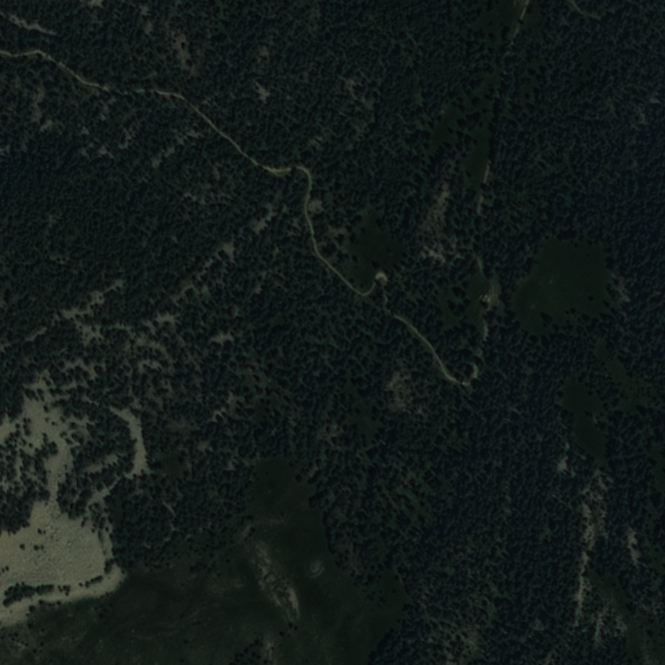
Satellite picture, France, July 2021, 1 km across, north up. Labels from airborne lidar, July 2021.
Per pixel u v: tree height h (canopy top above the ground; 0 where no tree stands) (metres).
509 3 0
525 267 16
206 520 14
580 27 19
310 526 0
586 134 19
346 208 7
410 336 26
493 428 23
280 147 19
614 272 25
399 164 25
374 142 23
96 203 14
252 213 10
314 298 6
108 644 0
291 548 0
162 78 12
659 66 23
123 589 0
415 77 28
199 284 12
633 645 0
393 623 0
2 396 20
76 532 0
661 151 25
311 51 17
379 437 18
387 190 21
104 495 0
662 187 30
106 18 20
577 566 8
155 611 0
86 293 11
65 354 6
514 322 17
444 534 24
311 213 9
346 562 10
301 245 25
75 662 0
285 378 8
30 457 12
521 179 28
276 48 18
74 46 25
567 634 16
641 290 19
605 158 25
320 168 12
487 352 23
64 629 0
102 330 9
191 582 0
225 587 0
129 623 0
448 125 0
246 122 14
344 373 28
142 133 12
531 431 25
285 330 17
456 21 20
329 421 12
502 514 15
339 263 9
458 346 24
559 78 19
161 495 22
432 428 16
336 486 11
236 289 6
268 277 6
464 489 24
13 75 24
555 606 20
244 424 19
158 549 12
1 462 8
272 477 0
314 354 19
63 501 13
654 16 19
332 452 16
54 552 0
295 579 0
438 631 13
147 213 11
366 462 0
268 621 0
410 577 18
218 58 19
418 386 11
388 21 20
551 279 0
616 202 26
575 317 7
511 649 18
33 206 13
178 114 16
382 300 27
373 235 0
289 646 0
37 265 17
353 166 18
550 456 17
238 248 16
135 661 0
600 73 11
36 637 0
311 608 0
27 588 17
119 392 17
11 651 0
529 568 25
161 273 27
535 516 21
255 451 8
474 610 13
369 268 0
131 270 14
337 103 13
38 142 10
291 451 15
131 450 15
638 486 29
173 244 26
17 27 23
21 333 20
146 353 15
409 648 25
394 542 22
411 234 15
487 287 0
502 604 23
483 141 0
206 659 0
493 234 12
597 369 11
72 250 9
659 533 14
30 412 0
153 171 15
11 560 0
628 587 22
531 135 26
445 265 11
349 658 0
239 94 16
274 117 16
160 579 0
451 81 23
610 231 12
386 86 15
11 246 10
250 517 9
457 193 14
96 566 0
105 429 15
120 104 17
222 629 0
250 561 0
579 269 0
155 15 21
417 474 27
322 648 0
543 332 0
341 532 9
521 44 10
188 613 0
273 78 14
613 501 13
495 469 25
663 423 33
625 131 17
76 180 8
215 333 19
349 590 0
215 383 19
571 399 0
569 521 22
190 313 11
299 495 0
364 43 13
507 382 26
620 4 19
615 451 28
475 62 9
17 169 15
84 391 23
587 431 0
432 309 30
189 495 14
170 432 16
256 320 12
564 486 20
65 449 0
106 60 12
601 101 22
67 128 12
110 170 11
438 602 17
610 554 16
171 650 0
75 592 0
